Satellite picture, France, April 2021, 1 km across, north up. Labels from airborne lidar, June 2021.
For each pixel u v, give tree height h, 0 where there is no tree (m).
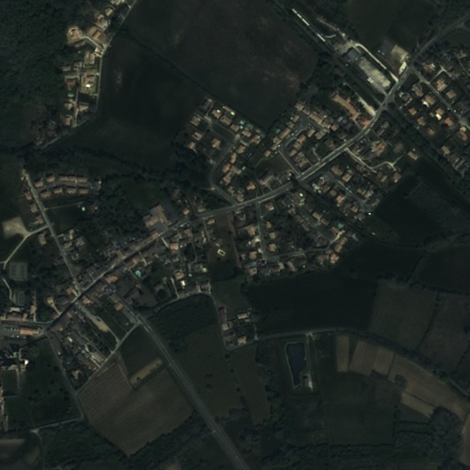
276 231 7
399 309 0
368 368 0
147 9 0
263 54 0
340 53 0
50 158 16
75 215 0
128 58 0
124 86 0
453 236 16
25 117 0
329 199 10
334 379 0
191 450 16
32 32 17
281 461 26
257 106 0
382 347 14
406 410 0
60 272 13
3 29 20
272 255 6
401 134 7
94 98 0
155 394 0
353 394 0
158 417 0
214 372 0
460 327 0
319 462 7
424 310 0
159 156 0
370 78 0
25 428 15
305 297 0
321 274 0
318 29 0
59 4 17
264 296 0
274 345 0
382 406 0
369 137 0
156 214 0
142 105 0
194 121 0
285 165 0
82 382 9
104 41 0
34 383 0
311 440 0
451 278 0
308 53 0
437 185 0
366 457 10
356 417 0
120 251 0
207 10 0
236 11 0
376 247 0
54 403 0
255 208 6
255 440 22
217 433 0
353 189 11
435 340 0
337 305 0
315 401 0
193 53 0
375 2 0
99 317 0
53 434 12
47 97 21
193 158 27
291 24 7
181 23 0
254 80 0
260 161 0
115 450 16
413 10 0
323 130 0
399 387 17
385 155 0
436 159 14
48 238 7
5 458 0
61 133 19
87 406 0
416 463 0
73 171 0
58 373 11
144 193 0
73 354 7
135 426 0
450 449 21
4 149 7
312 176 0
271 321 0
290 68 0
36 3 15
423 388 0
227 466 0
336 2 14
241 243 11
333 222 8
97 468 0
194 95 0
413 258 0
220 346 0
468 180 12
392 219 0
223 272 0
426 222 0
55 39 21
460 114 6
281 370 0
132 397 0
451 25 19
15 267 0
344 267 0
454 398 0
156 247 0
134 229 13
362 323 0
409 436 7
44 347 0
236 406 0
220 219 0
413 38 0
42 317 13
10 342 0
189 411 0
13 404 0
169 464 12
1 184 0
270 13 0
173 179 11
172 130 0
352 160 0
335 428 0
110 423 0
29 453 0
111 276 0
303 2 0
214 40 0
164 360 0
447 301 0
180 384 0
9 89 10
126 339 0
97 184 0
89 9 12
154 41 0
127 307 0
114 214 9
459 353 0
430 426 8
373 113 0
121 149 0
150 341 0
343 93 14
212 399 0
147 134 0
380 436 0
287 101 0
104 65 7
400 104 0
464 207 0
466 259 0
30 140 0
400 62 0
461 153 0
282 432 17
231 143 0
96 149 0
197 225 15
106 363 0
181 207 10
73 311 0
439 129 0
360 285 0
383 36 0
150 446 7
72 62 19
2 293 12
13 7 18
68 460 10
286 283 0
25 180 0
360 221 7
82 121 18
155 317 6
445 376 15
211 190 0
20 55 23
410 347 0
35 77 16
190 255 14
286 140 0
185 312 0
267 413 0
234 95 0
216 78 0
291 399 0
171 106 0
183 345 7
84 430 9
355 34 10
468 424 0
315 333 0
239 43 0
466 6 18
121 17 13
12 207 0
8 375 0
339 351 0
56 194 6
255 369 0
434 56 17
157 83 0
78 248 6
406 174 12
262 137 0
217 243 0
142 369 0
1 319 0
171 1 0
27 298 6
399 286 16
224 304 0
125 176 6
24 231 0
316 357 0
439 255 0
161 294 12
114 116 0
